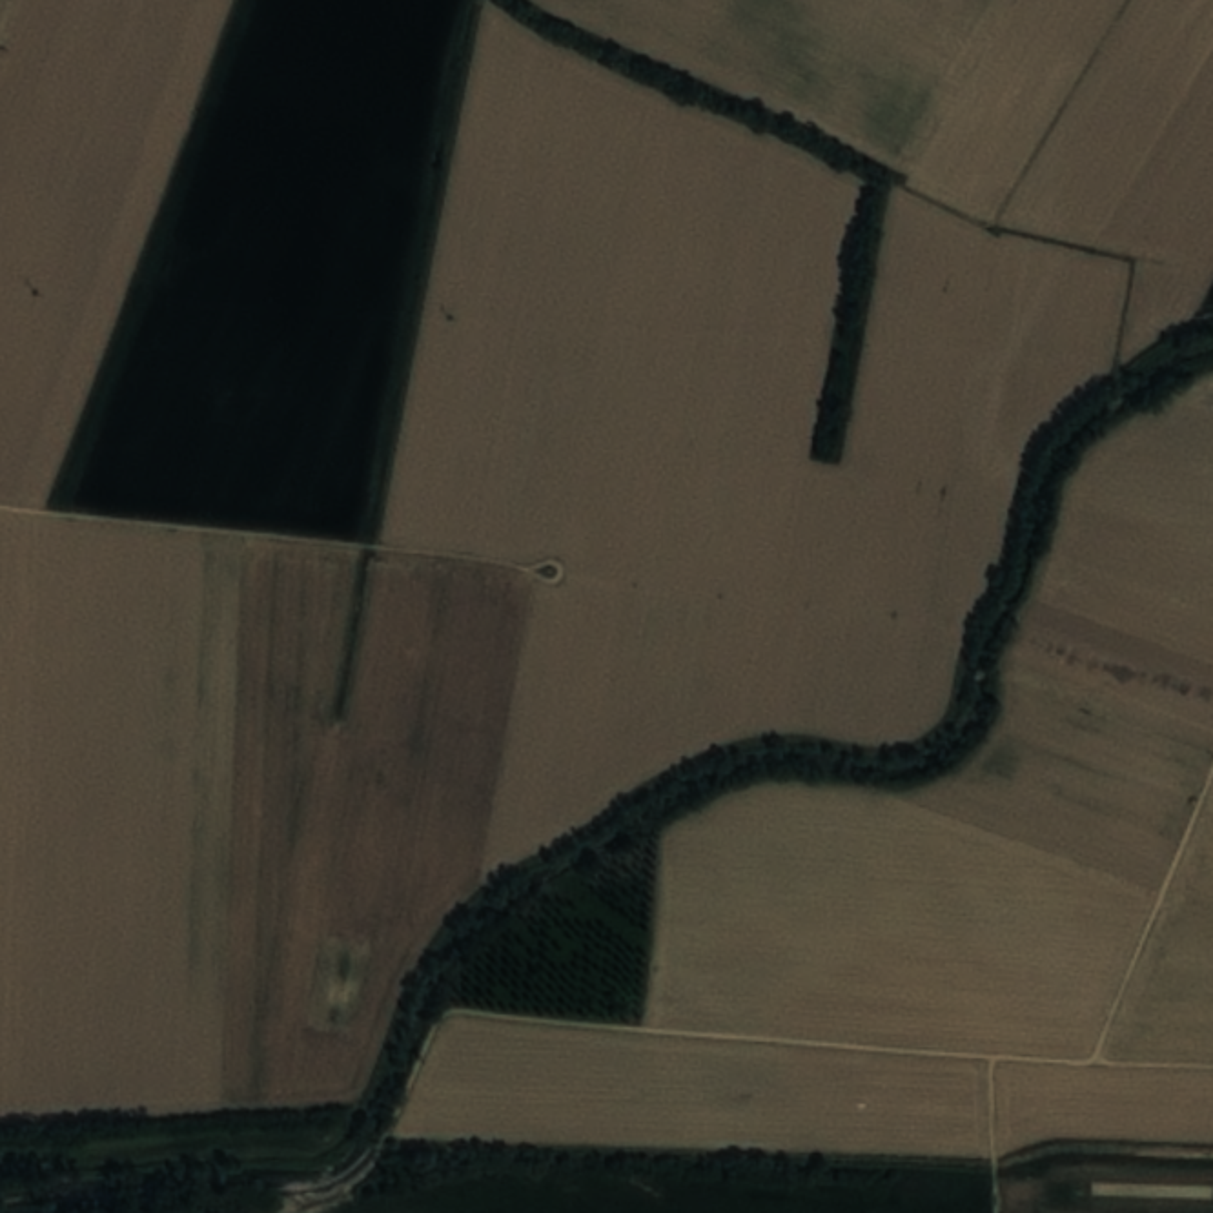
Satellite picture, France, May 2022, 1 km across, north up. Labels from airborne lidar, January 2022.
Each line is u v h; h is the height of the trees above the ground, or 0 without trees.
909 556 0
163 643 0
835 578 0
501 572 0
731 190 0
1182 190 0
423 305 0
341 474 0
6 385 0
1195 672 0
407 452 0
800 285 0
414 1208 0
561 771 0
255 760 0
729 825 0
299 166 0
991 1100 0
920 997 0
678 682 0
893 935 0
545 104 0
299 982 0
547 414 0
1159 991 0
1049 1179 0
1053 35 0
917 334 0
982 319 0
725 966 0
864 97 0
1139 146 0
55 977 0
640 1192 0
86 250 0
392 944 0
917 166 0
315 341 0
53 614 0
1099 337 0
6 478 0
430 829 0
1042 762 0
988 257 0
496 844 0
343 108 0
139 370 0
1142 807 0
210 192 0
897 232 0
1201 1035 0
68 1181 33
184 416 0
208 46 0
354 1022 0
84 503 0
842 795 0
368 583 0
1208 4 0
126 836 0
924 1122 0
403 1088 12
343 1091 0
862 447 0
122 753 0
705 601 0
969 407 0
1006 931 0
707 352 0
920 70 0
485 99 0
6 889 0
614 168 0
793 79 0
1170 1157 0
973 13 0
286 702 0
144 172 0
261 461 0
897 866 0
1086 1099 0
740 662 0
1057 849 0
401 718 0
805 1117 0
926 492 0
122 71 0
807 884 0
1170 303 0
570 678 0
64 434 0
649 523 0
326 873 0
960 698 7
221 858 0
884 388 0
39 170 0
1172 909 0
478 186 0
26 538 0
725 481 0
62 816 0
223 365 0
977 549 0
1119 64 0
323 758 0
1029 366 0
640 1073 0
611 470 0
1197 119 0
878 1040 0
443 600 0
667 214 0
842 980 0
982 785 0
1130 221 0
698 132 0
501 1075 0
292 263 0
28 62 0
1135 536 0
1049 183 0
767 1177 17
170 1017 0
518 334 0
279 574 0
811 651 0
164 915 0
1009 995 0
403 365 0
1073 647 0
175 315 0
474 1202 0
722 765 18
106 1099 0
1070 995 0
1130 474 0
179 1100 0
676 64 0
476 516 0
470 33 0
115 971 0
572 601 0
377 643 0
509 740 0
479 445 0
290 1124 9
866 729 0
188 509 0
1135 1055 0
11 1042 0
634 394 0
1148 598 0
